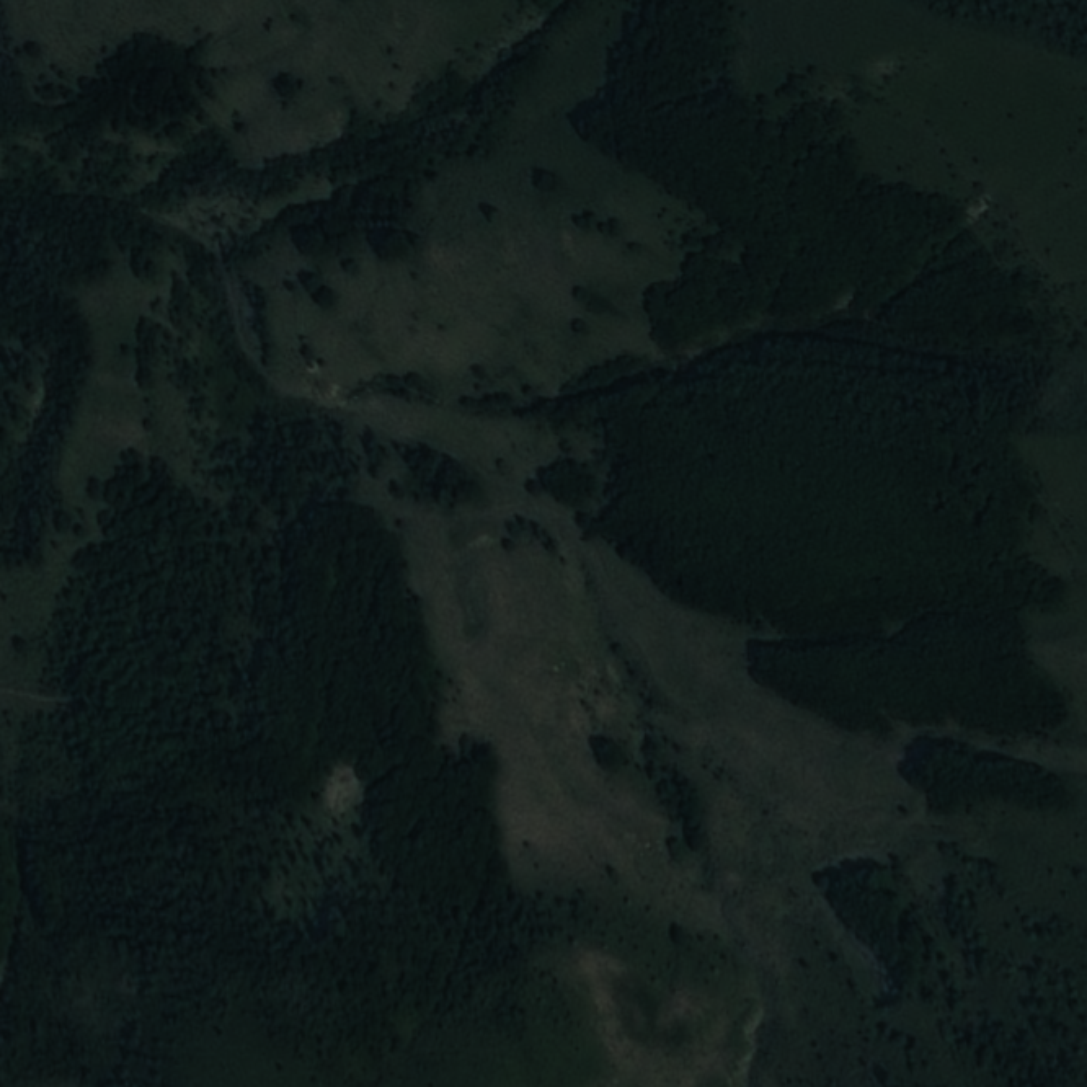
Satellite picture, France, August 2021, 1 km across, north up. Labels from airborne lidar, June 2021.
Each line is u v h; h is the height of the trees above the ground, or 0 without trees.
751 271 17
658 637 0
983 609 6
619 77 19
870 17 0
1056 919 6
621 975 0
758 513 17
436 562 0
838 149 12
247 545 9
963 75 0
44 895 19
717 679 0
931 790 14
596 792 0
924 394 24
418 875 23
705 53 14
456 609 0
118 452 0
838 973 0
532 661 0
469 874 28
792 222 16
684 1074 0
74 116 15
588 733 0
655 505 19
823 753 0
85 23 0
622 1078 0
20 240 20
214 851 7
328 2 0
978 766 18
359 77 0
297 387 0
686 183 14
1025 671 11
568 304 0
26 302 19
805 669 13
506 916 10
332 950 8
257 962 11
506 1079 0
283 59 0
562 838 0
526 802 0
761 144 16
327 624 20
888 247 15
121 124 12
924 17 0
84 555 11
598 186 0
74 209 16
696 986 0
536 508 0
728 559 21
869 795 0
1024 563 14
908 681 9
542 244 0
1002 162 0
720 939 7
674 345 15
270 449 15
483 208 0
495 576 0
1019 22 10
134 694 14
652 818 0
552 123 0
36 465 11
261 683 23
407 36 0
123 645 11
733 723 0
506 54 13
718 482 15
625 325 0
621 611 0
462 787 26
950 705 14
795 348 17
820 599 13
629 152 21
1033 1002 9
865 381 24
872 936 14
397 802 19
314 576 26
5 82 22
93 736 11
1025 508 9
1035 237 0
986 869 11
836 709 10
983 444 16
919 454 18
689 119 17
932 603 7
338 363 0
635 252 11
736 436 18
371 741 16
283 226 14
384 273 0
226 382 0
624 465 10
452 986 11
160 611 7
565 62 0
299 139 0
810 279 15
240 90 0
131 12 0
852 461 16
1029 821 0
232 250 13
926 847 0
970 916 10
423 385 7
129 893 10
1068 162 0
